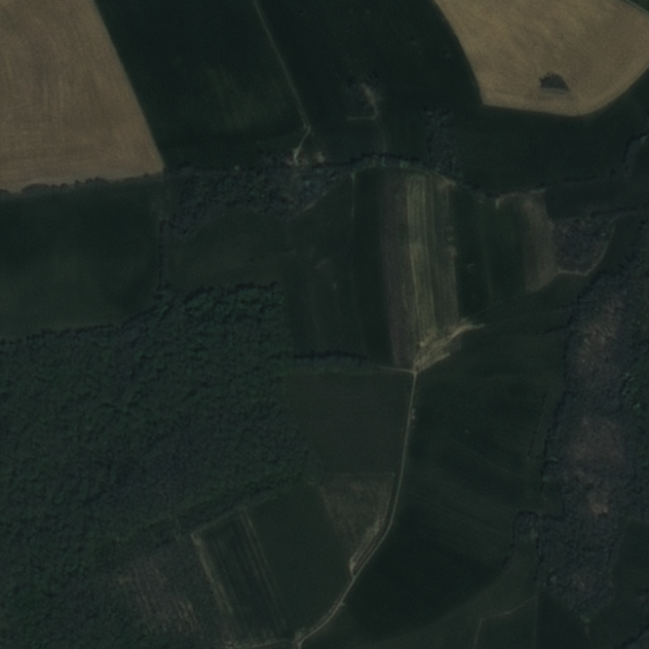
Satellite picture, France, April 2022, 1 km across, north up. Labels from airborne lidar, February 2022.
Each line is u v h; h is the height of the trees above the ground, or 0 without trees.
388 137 0
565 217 0
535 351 0
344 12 0
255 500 17
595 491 19
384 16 0
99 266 0
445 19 0
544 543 23
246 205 15
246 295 19
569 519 19
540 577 6
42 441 26
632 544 0
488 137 0
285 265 0
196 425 26
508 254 0
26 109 0
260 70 0
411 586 0
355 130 0
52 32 0
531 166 0
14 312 0
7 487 28
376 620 0
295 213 16
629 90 0
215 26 0
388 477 0
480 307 0
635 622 0
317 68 0
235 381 26
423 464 0
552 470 20
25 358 21
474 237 0
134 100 0
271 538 0
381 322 0
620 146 0
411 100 0
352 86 0
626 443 12
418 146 0
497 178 0
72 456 25
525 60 0
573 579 16
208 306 17
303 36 0
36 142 0
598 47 0
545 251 0
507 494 0
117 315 0
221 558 0
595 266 0
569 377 13
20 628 24
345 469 0
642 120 0
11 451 24
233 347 24
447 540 0
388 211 0
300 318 0
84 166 0
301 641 0
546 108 0
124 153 0
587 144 0
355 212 0
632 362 25
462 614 0
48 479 27
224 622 12
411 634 0
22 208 0
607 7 0
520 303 0
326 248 0
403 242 0
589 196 0
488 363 0
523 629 0
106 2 0
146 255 0
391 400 0
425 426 0
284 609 0
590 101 0
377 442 0
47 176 0
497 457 0
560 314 0
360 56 0
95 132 0
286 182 25
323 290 0
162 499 21
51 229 0
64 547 26
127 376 25
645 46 0
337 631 0
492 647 0
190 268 0
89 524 24
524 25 0
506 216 0
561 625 0
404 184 0
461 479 0
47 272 0
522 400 0
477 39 0
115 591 7
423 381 0
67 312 0
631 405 19
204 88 0
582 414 15
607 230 6
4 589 29
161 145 0
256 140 0
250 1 0
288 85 0
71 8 0
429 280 0
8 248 0
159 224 0
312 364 17
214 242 0
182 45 0
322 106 0
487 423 0
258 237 0
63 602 20
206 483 23
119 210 0
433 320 0
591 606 18
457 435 0
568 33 0
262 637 0
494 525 0
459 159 10
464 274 0
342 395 0
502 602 0
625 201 0
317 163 0
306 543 0
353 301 0
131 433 26
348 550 0
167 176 11
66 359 27
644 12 0
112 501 24
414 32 0
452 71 0
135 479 27
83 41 0
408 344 0
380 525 0
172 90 0
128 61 0
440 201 0
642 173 0
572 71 0
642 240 12
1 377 22
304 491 0
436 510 0
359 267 0
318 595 0
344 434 0
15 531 26
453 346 0
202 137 0
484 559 0
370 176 0
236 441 22
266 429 24
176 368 32
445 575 0
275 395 23
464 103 0
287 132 0
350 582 0
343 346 0
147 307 0
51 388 22
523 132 0
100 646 22
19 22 0
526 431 0
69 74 0
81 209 0
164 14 0
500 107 0
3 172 0
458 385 0
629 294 24
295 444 22
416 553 0
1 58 0
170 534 5
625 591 0
